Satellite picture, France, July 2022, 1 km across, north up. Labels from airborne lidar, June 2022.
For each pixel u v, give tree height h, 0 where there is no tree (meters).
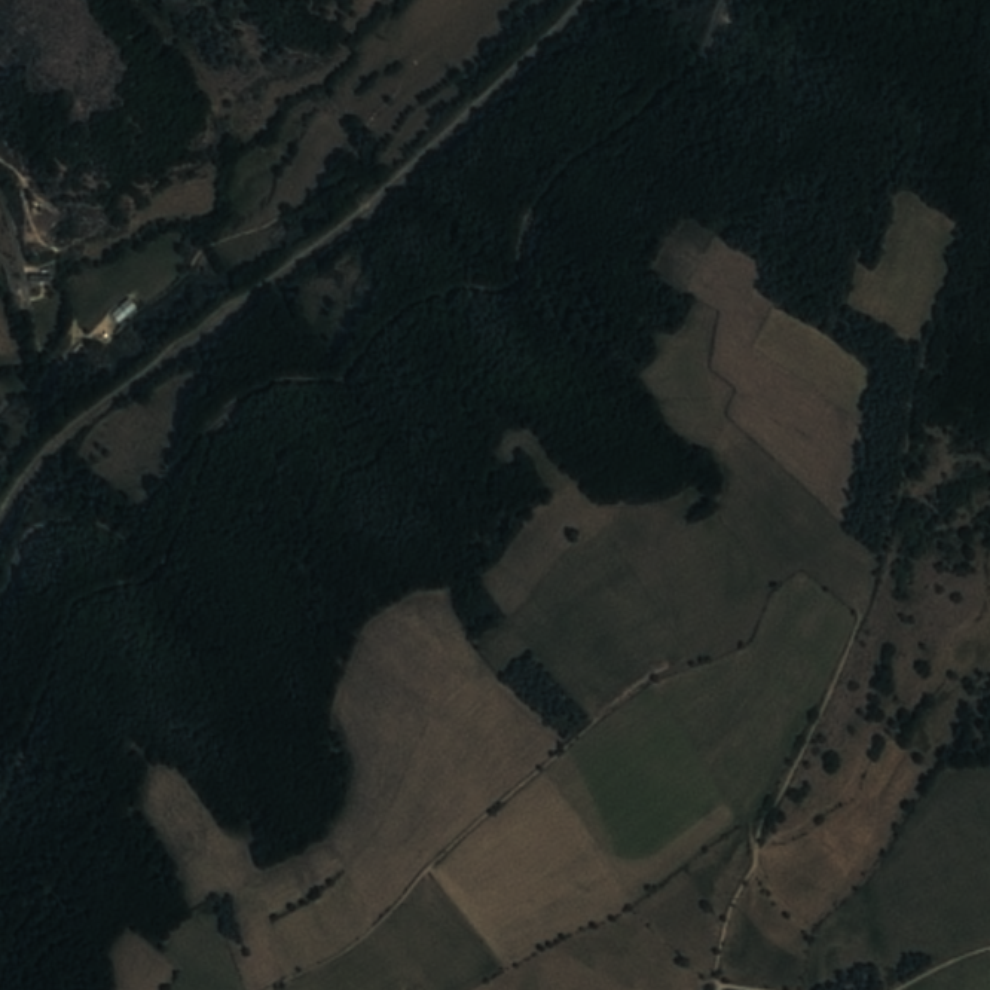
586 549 0
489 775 0
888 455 16
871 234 14
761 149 18
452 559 16
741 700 0
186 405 17
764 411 0
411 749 0
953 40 14
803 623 0
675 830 0
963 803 0
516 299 24
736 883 0
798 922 0
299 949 0
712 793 0
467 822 0
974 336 16
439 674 0
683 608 0
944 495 14
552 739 0
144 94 12
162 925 13
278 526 12
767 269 18
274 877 0
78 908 16
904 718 19
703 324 0
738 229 12
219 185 14
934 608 0
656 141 23
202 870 0
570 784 0
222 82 0
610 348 8
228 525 16
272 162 0
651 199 21
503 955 0
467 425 11
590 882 0
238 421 14
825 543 0
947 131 19
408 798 0
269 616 18
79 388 20
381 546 19
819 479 0
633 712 0
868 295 0
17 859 17
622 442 15
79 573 18
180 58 23
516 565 0
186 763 13
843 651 0
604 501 12
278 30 17
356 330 24
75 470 22
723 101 20
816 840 0
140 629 12
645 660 0
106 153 14
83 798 13
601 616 0
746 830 0
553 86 18
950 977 0
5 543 7
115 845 14
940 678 0
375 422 18
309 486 16
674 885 0
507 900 0
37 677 18
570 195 12
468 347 11
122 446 0
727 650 0
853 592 0
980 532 16
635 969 0
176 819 0
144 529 24
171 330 13
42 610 22
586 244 18
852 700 0
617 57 18
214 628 22
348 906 0
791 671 0
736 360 0
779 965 0
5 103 18
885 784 0
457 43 0
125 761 15
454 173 22
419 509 16
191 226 13
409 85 0
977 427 12
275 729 22
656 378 0
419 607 0
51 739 18
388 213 16
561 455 12
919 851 0
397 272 21
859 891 12
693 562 0
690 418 0
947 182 16
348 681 0
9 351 0
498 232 17
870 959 0
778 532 0
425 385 10
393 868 0
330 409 17
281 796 13
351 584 14
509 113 21
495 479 16
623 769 0
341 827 0
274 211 0
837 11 15
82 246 6
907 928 0
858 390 0
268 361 13
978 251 17
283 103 15
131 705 12
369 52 0
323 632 19
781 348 0
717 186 13
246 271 14
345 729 0
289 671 15
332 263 14
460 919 0
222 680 19
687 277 0
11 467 9
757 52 6
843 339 17
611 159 18
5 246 0
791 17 20
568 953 0
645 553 0
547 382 13
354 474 20
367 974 0
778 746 0
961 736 12
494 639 0
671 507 0
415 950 0
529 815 0
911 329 0
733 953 0
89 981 11
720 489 15
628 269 18
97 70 0
